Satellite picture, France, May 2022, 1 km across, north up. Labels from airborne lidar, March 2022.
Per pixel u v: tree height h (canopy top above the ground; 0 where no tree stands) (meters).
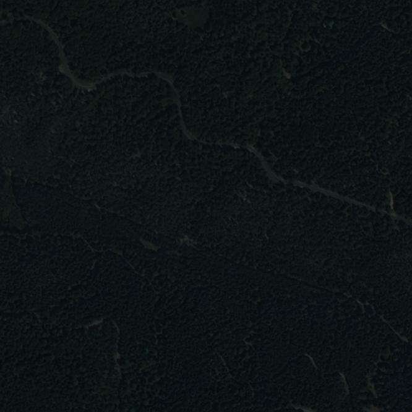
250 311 23
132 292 25
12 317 27
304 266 17
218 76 9
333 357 21
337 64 22
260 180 11
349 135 29
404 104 28
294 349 18
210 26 18
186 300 24
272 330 29
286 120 21
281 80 20
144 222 25
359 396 20
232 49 24
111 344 20
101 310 24
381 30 21
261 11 27
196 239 27
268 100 29
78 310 24
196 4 13
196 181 22
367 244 32
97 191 28
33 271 27
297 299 30
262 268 22
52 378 29
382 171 23
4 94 11
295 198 21
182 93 24
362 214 13
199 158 24
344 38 29
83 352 27
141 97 10
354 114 19
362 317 30
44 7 16
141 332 30
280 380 23
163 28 18
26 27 27
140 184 21
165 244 34
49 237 31
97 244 33
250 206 23
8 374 23
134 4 24
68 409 22
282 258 17
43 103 22
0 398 23
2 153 18
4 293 25
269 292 26
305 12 25
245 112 23
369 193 16
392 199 0
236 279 24
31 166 20
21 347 13
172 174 25
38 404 21
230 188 16
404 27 28
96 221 33
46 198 35
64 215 30
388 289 15
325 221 17
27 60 24
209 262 29
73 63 25
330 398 18
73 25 26
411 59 26
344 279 26
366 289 25
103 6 24
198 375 19
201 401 18
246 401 12
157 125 12
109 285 18
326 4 40
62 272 27
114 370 13
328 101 19
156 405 22
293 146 15
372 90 22
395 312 24
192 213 33
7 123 23
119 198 28
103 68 10
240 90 27
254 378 23
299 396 25
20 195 32
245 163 28
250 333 13
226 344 12
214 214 21
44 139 14
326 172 26
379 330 27
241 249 20
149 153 19
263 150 18
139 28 24
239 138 26
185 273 24
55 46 23
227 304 18
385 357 16
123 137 22
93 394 20
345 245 29
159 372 23
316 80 23
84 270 31
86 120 24
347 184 26
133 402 12
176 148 29
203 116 26
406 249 22
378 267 16
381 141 26
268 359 23
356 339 22
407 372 32
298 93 24
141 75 0
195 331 16
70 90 25
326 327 27
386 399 26
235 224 27
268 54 22
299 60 47
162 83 18
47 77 16
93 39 26
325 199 26
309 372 13
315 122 26
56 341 35
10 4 18
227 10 15
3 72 23
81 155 32
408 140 19
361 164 6
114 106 27
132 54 25
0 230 25
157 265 26
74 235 26
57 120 16
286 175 16
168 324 24
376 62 25
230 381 23
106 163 19
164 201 28
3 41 26
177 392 22
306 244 25
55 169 12
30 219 31
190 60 21
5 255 27
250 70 28
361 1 31
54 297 22
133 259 31
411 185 28
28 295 23
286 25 19
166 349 31
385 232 25
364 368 19
